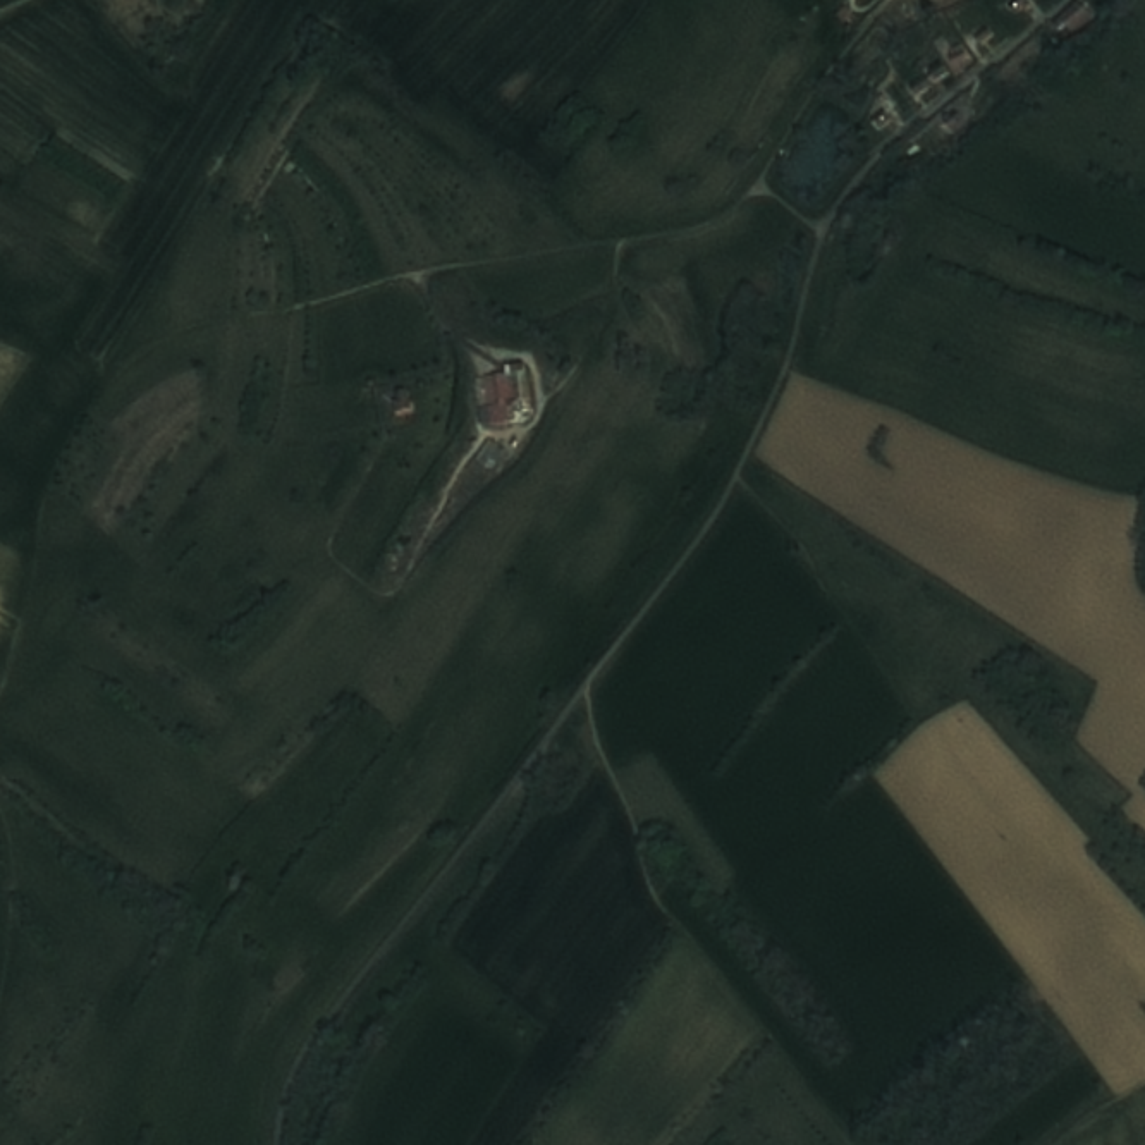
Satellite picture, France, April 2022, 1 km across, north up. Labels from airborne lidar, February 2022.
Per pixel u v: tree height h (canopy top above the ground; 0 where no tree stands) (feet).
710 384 32
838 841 0
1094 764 0
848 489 0
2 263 0
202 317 0
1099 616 0
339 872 0
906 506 0
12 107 0
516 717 0
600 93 0
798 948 0
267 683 0
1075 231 0
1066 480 0
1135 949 0
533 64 0
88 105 0
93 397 0
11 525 0
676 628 0
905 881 0
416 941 0
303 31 34
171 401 0
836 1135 0
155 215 0
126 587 0
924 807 0
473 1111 0
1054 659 0
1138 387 0
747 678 0
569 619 0
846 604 0
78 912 0
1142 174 0
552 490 0
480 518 0
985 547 0
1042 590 0
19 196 0
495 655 0
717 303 0
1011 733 0
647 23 0
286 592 27
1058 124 0
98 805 0
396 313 0
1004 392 0
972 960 0
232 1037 0
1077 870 0
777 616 0
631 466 0
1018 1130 0
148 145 0
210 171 0
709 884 35
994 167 0
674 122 0
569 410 0
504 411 0
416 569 0
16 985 0
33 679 0
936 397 0
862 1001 0
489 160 0
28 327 0
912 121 0
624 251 0
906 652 0
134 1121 0
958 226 0
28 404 0
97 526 0
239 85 0
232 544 0
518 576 44
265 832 0
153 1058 0
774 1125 0
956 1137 72
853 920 0
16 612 0
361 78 0
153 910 43
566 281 0
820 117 0
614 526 0
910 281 0
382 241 0
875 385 0
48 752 0
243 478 0
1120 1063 0
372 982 0
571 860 0
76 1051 0
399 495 0
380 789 0
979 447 0
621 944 0
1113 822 22
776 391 0
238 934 0
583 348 0
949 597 0
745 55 0
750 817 0
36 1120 0
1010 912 0
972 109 0
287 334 0
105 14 0
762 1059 26
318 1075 28
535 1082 0
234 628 34
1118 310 0
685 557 0
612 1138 0
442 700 0
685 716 0
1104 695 0
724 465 0
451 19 0
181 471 0
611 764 0
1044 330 0
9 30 0
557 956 0
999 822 0
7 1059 0
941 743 0
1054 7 0
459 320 0
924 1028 0
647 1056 0
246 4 0
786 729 0
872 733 0
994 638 0
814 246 0
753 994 0
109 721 0
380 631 0
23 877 0
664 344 0
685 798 0
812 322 0
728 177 0
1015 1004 21
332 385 0
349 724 0
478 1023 0
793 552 46
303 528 0
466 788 0
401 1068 0
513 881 0
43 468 0
